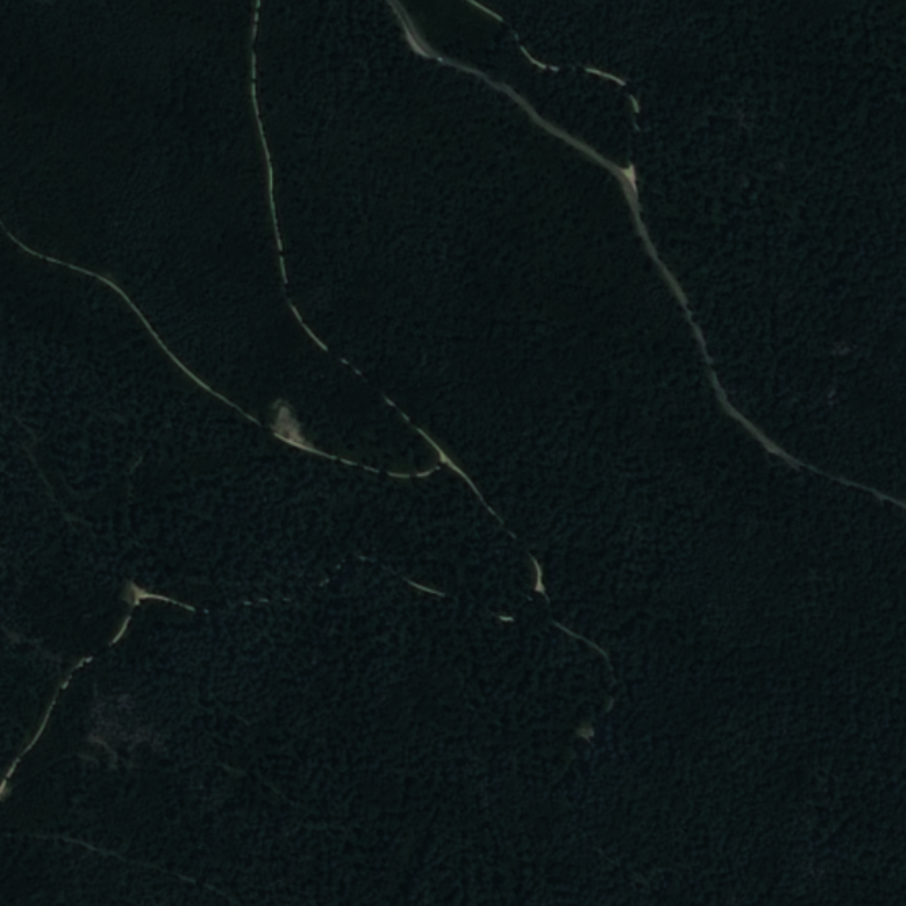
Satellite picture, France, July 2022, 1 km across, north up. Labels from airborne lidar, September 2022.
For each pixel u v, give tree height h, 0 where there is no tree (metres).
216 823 33
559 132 0
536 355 23
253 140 8
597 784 28
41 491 30
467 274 13
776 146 22
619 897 29
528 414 16
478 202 9
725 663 19
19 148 11
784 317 15
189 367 14
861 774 25
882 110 22
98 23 10
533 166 10
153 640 29
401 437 20
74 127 10
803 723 21
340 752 26
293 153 7
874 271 25
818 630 16
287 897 26
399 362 14
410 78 17
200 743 31
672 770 14
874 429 16
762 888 19
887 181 18
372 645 15
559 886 29
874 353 19
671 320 9
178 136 13
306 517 9
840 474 17
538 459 9
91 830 6
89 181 13
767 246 18
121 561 24
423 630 12
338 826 24
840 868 24
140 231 21
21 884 7
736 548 21
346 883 29
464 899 23
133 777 9
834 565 23
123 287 7
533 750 8
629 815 16
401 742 25
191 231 13
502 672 15
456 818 24
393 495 22
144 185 18
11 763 10
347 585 34
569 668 27
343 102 20
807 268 22
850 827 26
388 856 24
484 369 16
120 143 13
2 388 11
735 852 24
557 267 11
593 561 25
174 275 21
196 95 20
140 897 10
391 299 11
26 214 15
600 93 22
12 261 10
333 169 9
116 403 23
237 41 11
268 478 22
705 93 13
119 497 7
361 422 13
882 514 31
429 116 11
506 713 20
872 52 25
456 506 15
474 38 6
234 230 11
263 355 16
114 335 10
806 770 23
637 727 24
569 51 29
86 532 7
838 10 12
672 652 20
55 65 12
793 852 27
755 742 21
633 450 21
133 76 14
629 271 8
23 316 11
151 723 31
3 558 29
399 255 15
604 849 23
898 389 21
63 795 9
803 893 16
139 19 10
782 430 17
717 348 19
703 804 16
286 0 15
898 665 15
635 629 26
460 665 24
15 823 7
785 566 16
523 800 24
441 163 8
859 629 18
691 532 21
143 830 7
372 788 24
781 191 8
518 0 17
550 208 6
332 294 12
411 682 26
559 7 23
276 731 8
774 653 19
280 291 19
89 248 11
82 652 8
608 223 11
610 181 15
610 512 25
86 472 28
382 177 7
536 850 22
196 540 28
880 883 22
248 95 9
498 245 8
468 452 14
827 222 14
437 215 18
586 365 16
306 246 11
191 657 26
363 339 19
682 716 19
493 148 10
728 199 12
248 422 8
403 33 25
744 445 30
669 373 18
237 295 15
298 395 18
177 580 29
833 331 20
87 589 22
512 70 18
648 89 32
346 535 8
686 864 15
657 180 21
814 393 24
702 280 9
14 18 15
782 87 20
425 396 17
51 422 29
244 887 26
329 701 28
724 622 20
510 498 26
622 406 11
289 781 19
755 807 17
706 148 30
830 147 12
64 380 26
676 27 26
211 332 17
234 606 27
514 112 14
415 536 20
